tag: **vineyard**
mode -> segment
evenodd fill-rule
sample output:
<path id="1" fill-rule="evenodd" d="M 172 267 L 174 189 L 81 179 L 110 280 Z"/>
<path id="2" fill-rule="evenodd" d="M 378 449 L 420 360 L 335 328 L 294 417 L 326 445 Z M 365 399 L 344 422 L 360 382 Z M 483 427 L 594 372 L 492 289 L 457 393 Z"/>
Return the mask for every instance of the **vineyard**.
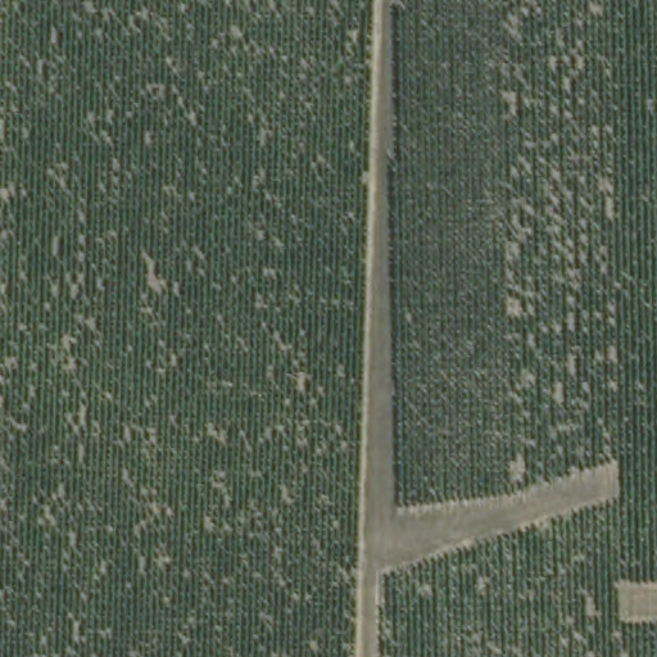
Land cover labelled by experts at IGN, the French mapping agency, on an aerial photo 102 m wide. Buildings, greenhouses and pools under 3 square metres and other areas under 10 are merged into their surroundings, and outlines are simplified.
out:
<path id="1" fill-rule="evenodd" d="M 385 575 L 385 601 L 380 606 L 377 624 L 377 657 L 657 657 L 657 624 L 621 621 L 616 583 L 657 583 L 657 0 L 395 0 L 390 8 L 395 115 L 393 157 L 380 167 L 380 185 L 385 187 L 388 198 L 393 506 L 521 493 L 539 480 L 565 477 L 572 467 L 588 470 L 606 462 L 619 462 L 619 498 L 603 506 L 583 508 L 570 518 L 552 518 L 549 529 L 542 531 L 531 526 L 526 531 L 500 534 L 470 549 L 459 549 L 439 559 L 408 567 L 403 572 Z"/>
<path id="2" fill-rule="evenodd" d="M 357 613 L 354 567 L 362 436 L 359 421 L 367 241 L 364 172 L 370 162 L 372 0 L 0 0 L 0 657 L 352 657 Z"/>

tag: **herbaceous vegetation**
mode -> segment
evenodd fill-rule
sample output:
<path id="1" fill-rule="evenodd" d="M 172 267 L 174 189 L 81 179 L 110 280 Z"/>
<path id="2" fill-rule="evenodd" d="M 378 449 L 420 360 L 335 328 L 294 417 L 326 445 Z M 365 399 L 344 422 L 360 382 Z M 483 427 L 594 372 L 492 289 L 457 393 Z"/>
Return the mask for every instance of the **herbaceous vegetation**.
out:
<path id="1" fill-rule="evenodd" d="M 616 583 L 621 621 L 657 624 L 657 583 Z"/>
<path id="2" fill-rule="evenodd" d="M 354 567 L 357 613 L 352 657 L 377 657 L 377 624 L 380 606 L 385 601 L 385 575 L 403 572 L 408 567 L 439 559 L 459 549 L 470 549 L 500 534 L 526 531 L 531 526 L 542 531 L 549 529 L 552 518 L 570 518 L 583 508 L 603 506 L 619 498 L 619 462 L 606 462 L 588 470 L 572 467 L 565 477 L 539 480 L 521 493 L 393 506 L 388 198 L 385 187 L 380 185 L 380 167 L 393 157 L 395 115 L 390 8 L 395 0 L 372 0 L 370 162 L 364 172 L 367 241 L 359 421 L 362 436 Z"/>

